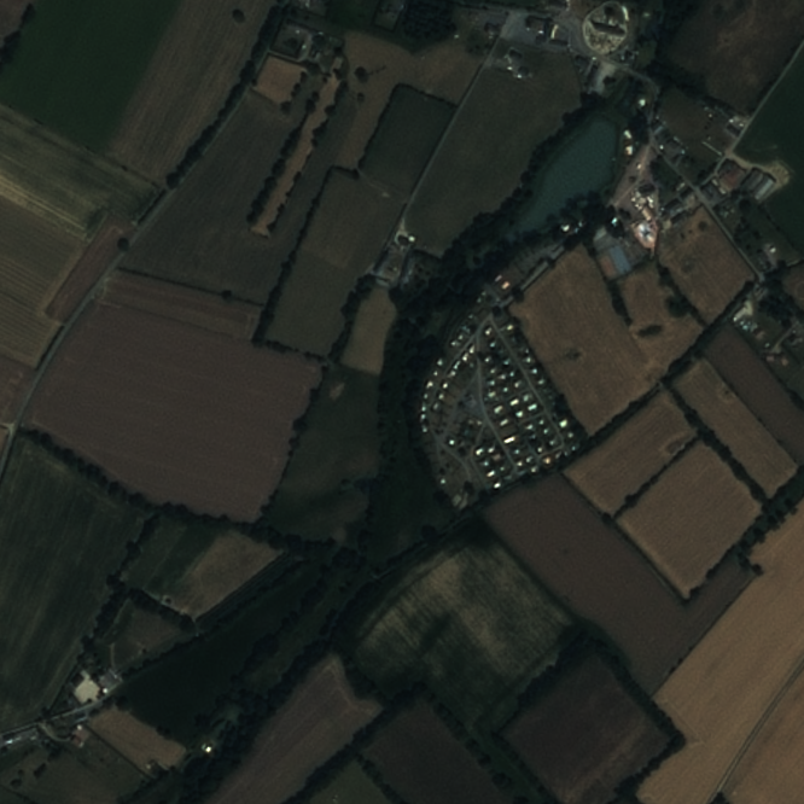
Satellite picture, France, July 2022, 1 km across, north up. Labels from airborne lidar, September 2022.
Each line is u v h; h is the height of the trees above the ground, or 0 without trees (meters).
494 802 0
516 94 0
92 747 0
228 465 0
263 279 0
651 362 0
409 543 0
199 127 0
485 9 7
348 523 0
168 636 0
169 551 0
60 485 0
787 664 0
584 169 0
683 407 7
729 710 0
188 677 0
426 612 0
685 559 0
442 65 0
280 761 0
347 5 0
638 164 0
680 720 0
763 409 0
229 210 0
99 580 0
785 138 0
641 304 0
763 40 0
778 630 0
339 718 0
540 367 14
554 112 0
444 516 0
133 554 18
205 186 0
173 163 0
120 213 0
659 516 0
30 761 0
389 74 0
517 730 0
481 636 0
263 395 0
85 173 0
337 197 0
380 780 13
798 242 0
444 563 0
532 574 0
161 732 9
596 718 0
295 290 0
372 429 0
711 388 0
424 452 6
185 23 0
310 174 0
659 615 0
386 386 16
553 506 0
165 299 0
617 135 0
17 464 0
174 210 0
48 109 0
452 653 0
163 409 0
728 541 0
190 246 0
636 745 0
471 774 0
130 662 0
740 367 0
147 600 17
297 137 11
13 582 0
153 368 0
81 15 0
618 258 0
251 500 0
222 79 0
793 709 0
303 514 0
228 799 0
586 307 0
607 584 0
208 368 0
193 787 11
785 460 0
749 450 0
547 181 0
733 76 0
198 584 0
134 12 0
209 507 0
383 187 0
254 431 0
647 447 0
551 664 0
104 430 0
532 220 0
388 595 0
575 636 0
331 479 0
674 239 0
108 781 0
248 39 0
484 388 0
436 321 0
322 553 15
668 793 0
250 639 0
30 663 0
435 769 0
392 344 6
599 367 0
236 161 0
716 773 0
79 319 0
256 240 0
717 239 0
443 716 12
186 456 0
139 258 0
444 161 0
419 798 0
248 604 14
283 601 0
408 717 0
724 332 0
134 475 0
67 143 0
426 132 0
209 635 7
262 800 0
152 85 0
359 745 14
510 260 6
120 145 0
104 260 0
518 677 0
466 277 19
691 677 0
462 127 0
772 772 0
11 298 0
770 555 0
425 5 16
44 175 0
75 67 0
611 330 0
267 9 0
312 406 7
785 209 0
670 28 6
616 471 0
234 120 0
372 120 0
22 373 0
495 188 0
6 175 0
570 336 0
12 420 0
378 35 0
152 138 0
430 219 0
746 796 0
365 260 0
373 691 14
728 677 0
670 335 0
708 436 17
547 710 0
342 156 0
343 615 8
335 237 0
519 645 0
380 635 0
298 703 0
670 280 6
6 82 0
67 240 0
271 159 0
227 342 0
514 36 0
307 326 0
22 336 0
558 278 0
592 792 0
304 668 13
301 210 0
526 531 0
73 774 0
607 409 0
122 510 0
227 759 15
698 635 0
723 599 0
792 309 8
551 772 0
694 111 0
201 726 19
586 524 0
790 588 0
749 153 0
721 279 0
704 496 0
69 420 0
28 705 0
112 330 0
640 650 0
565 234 21
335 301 0
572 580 0
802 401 11
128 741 0
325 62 0
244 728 9
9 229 0
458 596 0
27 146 0
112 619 13
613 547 0
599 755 0
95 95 0
